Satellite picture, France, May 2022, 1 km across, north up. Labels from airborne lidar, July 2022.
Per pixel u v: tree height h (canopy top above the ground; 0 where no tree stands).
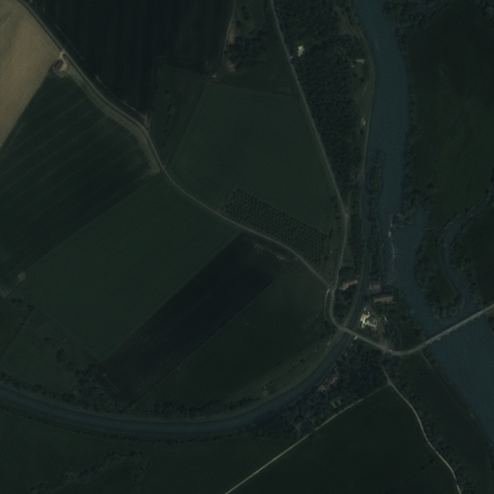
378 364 12
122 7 0
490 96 0
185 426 0
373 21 0
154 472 0
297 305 0
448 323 0
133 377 0
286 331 0
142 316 0
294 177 0
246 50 17
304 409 14
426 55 0
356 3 0
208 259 0
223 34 0
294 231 8
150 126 0
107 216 0
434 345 0
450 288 0
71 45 0
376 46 0
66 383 0
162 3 0
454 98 0
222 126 0
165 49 0
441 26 0
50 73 0
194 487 0
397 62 0
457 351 0
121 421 0
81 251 0
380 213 0
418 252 14
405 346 0
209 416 14
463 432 0
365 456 0
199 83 0
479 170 0
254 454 0
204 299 0
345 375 25
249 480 0
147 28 0
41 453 0
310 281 0
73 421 0
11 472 0
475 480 0
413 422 0
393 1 11
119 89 0
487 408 0
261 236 0
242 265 0
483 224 0
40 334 0
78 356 0
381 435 0
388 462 0
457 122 0
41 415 0
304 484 0
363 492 0
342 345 0
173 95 0
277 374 0
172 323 0
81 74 0
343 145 16
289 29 23
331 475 0
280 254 0
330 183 0
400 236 0
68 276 0
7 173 0
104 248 0
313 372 0
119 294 0
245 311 0
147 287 0
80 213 0
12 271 0
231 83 0
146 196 0
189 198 0
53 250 0
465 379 0
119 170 0
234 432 0
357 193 23
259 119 0
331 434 0
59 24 0
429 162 0
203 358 0
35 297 0
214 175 0
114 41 0
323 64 21
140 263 0
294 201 0
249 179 0
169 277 0
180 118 0
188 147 0
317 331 0
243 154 0
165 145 8
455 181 0
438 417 0
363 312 0
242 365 0
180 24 0
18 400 0
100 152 0
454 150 0
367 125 0
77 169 0
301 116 0
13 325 0
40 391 18
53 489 7
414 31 6
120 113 0
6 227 0
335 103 21
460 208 0
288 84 0
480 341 0
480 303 10
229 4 0
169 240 0
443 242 10
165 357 0
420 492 0
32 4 0
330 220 0
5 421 0
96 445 0
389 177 0
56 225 0
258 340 0
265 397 0
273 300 0
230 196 0
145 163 0
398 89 0
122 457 6
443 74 0
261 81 0
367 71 0
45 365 0
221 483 0
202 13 0
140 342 0
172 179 0
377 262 16
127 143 0
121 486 0
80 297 0
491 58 0
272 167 0
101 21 0
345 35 0
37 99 0
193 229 0
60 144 0
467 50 0
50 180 0
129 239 0
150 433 0
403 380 15
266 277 0
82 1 0
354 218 11
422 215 0
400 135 0
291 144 0
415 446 0
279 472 0
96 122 0
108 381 0
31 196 0
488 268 0
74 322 0
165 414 24
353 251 7
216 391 0
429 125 0
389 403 0
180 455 0
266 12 7
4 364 0
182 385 0
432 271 22
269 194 0
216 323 0
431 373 0
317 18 21
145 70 0
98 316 0
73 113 0
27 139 0
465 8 0
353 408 0
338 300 16
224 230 0
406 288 0
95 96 0
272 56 0
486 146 0
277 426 34
